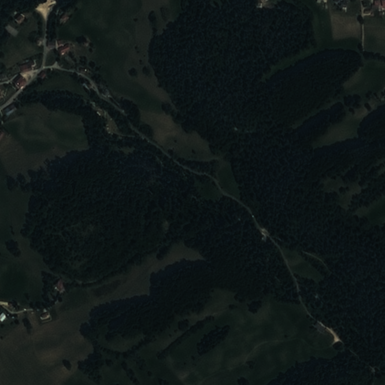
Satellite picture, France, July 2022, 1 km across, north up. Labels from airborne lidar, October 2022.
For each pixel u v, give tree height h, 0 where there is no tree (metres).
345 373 26
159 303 30
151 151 13
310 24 23
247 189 12
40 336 0
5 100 0
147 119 0
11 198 0
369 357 11
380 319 33
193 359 10
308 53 0
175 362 0
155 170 8
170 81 16
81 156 27
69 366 17
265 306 0
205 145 0
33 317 0
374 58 11
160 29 0
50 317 0
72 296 0
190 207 8
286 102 19
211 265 22
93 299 0
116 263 11
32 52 0
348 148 33
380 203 0
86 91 23
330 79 16
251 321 0
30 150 0
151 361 0
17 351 0
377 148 26
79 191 16
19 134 0
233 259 33
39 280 0
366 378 22
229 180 0
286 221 24
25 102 6
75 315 0
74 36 0
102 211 10
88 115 29
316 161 31
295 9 25
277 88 28
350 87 0
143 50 0
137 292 0
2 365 0
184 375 0
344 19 0
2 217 0
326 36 0
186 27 17
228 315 0
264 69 25
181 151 0
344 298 22
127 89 0
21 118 0
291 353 0
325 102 7
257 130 17
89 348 0
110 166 29
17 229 0
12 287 0
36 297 0
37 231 16
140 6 0
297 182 26
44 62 0
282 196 30
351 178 22
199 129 26
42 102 19
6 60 0
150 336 19
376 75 0
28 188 22
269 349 0
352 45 0
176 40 17
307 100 29
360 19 16
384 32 0
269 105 18
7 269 0
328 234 31
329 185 0
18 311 0
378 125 26
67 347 0
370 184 7
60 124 0
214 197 0
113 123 0
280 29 24
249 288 22
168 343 0
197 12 12
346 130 0
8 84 6
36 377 0
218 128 25
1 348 0
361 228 7
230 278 23
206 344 16
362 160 28
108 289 0
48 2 0
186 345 0
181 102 23
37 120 0
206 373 0
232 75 24
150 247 10
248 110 10
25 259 0
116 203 9
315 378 34
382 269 24
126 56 0
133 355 22
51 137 0
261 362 0
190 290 23
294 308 0
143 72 7
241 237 13
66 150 0
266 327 0
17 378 0
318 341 0
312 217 12
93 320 17
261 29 28
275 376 0
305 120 0
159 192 8
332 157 31
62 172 36
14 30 0
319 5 0
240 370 0
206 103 19
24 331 0
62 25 7
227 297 0
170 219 10
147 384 0
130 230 22
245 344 0
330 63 22
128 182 29
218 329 16
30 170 0
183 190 6
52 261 20
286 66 0
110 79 0
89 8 0
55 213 8
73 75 11
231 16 17
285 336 7
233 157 9
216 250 32
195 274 27
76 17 0
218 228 27
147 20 0
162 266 0
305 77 24
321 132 24
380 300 29
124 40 0
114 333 13
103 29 0
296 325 0
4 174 0
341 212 18
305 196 9
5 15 25
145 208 22
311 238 21
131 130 11
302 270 0
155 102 0
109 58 0
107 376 0
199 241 25
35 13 12
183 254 0
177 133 0
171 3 0
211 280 28
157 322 23
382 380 0
